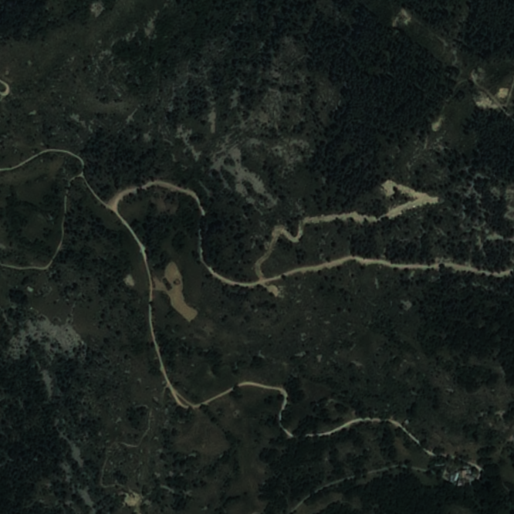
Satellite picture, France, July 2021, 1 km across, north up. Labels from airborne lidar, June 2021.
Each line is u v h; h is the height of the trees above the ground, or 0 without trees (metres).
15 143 0
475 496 5
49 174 0
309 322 0
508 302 8
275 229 0
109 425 0
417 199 0
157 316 0
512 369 13
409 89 33
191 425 0
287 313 0
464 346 8
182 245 9
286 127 6
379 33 26
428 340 8
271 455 13
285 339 0
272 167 7
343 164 12
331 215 0
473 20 24
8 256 6
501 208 16
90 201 0
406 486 18
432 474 11
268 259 0
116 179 11
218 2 6
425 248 7
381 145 16
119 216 0
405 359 0
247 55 16
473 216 15
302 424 10
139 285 0
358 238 7
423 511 18
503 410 0
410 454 0
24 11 20
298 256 8
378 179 14
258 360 14
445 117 0
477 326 9
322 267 0
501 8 28
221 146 0
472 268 0
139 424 6
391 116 27
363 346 0
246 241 0
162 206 0
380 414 6
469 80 0
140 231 19
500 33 29
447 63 7
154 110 11
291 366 0
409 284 17
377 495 14
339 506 8
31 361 12
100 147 10
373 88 21
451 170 21
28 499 6
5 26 19
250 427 0
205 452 0
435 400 9
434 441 0
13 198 9
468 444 0
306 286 0
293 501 6
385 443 11
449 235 12
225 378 0
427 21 28
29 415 8
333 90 0
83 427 9
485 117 20
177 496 11
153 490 7
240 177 0
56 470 7
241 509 0
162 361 0
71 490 8
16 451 17
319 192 14
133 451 0
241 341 0
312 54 20
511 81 0
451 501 6
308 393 0
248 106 6
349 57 27
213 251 17
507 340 10
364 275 0
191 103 14
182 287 0
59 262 7
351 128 11
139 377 0
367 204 7
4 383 8
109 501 9
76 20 11
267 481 7
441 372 7
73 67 0
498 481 17
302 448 14
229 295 9
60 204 10
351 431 13
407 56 33
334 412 0
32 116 5
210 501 0
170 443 7
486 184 14
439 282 6
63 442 8
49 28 6
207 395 0
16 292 13
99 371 0
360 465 14
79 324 0
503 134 34
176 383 8
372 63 12
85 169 10
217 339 0
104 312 7
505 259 14
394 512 9
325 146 14
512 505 10
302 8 21
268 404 13
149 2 0
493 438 13
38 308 0
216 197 7
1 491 11
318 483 11
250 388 0
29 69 0
